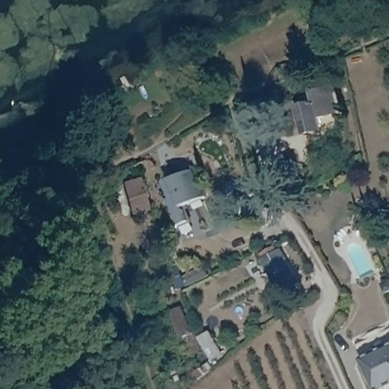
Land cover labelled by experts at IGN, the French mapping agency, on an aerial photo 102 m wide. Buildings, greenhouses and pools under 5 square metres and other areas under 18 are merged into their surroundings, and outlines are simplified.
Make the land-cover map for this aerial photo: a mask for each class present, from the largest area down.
<instances>
[{"label":"deciduous trees","instance_id":"1","mask_svg":"<svg viewBox=\"0 0 389 389\"><path fill-rule=\"evenodd\" d=\"M286 9L298 11L299 18L308 24V29L302 32L305 44L310 47L313 55H316L315 64L308 65L305 70L292 71L290 76L283 73L284 65L270 68L267 74L277 77L287 90L284 93L286 102L280 105L275 102H261L255 106L240 102L236 93L240 91L243 71L236 73L231 62L220 53L232 40L248 35L254 27L266 24L269 14L243 18L239 24L222 32L198 30L191 33H176L166 47L153 53L149 64L141 68L137 77L141 85L155 74V70L170 71L173 74L170 96H175L178 100L184 99L185 108L199 112L207 111L208 114L213 103L228 105L231 119L226 120L222 135H228L229 141L236 146V160L242 161L254 158L255 173H258L261 169L258 158L254 147L255 141H260L263 146H272L283 138V135H293L290 108L293 106V96L296 93H305L310 88H318L322 84L336 88L342 90L343 79L348 71L346 52H351L360 40L378 35L380 40L366 44V50L369 52L372 47H377L378 62L387 68L384 71V81L389 84V0H284L283 5L277 9L278 12ZM132 115L128 111L126 108L119 109L114 94L85 96L82 108L67 115L65 143H50L49 149L38 147L40 160L49 161L53 158L62 164H68L76 172L77 178L84 182V191L70 188L67 193H55L50 187L38 190V194L58 199L59 204L67 208V213L55 217L52 222H43V225L33 220L29 216V205L23 204L17 198L15 191L17 187H24L27 181L29 173L26 172L23 161L12 158L11 153H3L0 157V389H52L50 377L74 365L79 359L88 362L82 371L85 386H74L73 389H147L144 383V366L158 369L160 372L175 371L178 374L188 371L193 366L198 368L207 362L204 353L201 356L194 354L190 357L175 354L179 346L184 345L185 340L182 339V334L175 333V330L170 328V310L184 305L185 319L191 333L198 336L204 333V325L196 319L204 296L202 290L193 289L191 293H185L184 289L173 287V266L182 272L190 269L199 270L201 267L208 277L239 266L251 252L248 249H226L219 255L211 254V261H199L194 257L181 258L176 255L179 249L176 245L181 234L173 223L161 231V246H153L144 255L140 252L126 254L123 257L126 264L137 266L138 269L135 270L134 281H122L120 269H115L112 263V246L106 243L105 236L109 232H117L109 216L114 211L117 213L122 210L119 191H123V182L146 175L143 155L120 164L112 163L119 147L134 150L135 147L134 137L129 134ZM27 239L38 240V245L44 246L50 252L49 261L41 263L43 274H36L32 267L24 266L23 261L18 260L21 245ZM105 305L123 310L128 316V322H132L137 313H155L157 321H147L155 330L146 328L138 337L115 342L112 340L117 334L115 319L103 322L99 313ZM348 126V117H345L334 120V126L327 129V134L321 135L312 143H307V158L305 161H298L299 170L301 175H305L307 182H310V187L305 193L330 194V188H322V185H319V179L334 182L340 175L346 176L349 184H365L371 175L368 161H357L354 158L356 155L351 153V150H356L354 141L342 140V129ZM194 187L204 191L211 187V182L217 176L213 170L208 164L198 167L196 163H190V167ZM348 210L354 213V226L360 231L366 246L374 248L386 246L389 249V196L383 198L378 191L366 187L365 193L360 194L356 207L348 205ZM211 216L217 214V219L219 222H225L226 228L245 229L248 223L261 226L263 223L260 214L255 213V210H249V199H236L232 198L231 194L213 191L210 198L205 201V202ZM147 214L152 220L160 219V205L153 202L149 205V210L138 211L131 216L135 223L143 222ZM263 331L260 315L248 312L243 339L237 337L239 331L231 333L228 330H220L219 334L214 333L211 336L214 345H225L226 349L232 354H236L243 345L254 340ZM289 331L299 362L310 383V389H318L310 363L304 356L296 331L289 321L283 325ZM277 339L283 349L284 359L295 381L296 389H305L286 339L283 333L277 331ZM305 342L315 357L325 389H337L324 354L313 336L310 333L305 334ZM264 353L277 378L278 389H287L274 349L270 345H264ZM249 365L260 389H270L260 357L254 348H248ZM234 369L239 375L236 380H232V389H251L242 365L236 360Z\"/></svg>","mask_w":389,"mask_h":389},{"label":"herbaceous vegetation","instance_id":"2","mask_svg":"<svg viewBox=\"0 0 389 389\"><path fill-rule=\"evenodd\" d=\"M157 0H108V6L102 9L61 5L55 9L50 5V0H0V97L6 93L8 87L20 90L24 82L55 70L58 68L59 59L65 61L73 58L76 53L73 50H65V47L67 44L84 43L87 40V33L93 27H97L99 18L106 17L108 26L117 29L122 24L131 23L132 18L137 17L140 12L152 8ZM219 0H190L185 3V14L207 17L217 11ZM308 29V24L299 18L298 11L286 9L278 12L277 9L269 14L266 24L254 27L248 35L232 40L220 53L231 62L236 73L243 71L240 91L236 93L240 102L255 106L261 102H275L280 105L286 102L284 93L287 90L277 77L267 74L270 68L284 65L283 73L290 76L292 71L305 70L308 65L315 64L316 55H313L310 47L305 44L302 32ZM380 40L378 35L360 40L351 52H346L348 71L349 79L356 90L368 161L371 175L365 184H349L346 176L340 175L334 182L319 179V185H322V188H330V194L305 193L307 202L304 207L310 210L305 220L315 232L316 240L324 246L325 254L328 255L337 277L349 286L351 270L345 260L334 251L333 242L340 229L354 226V213L348 210V205L356 207L360 194L365 193L366 187L378 191L383 198L389 196V84L384 81V71L387 68L378 62L377 47H372L369 52L366 50V44ZM173 74L170 71L155 70V74L141 85L137 77L128 88L129 93L140 90L143 96L140 102L128 111L132 115L140 117L146 112L149 117H153L150 100L166 103L170 102V96ZM36 108L33 103L15 102L11 106V111L0 115V129L12 125L18 119H24L26 115L35 114ZM213 140L219 144L225 155L226 164L234 169V175L243 173L242 161L236 160V146L229 141L228 135H222L205 129H196L190 132L179 146L167 144L158 149L157 158L150 157L149 153L143 155L146 175L147 188L152 196L149 205L153 202L160 205V219L152 220L147 214L143 222L135 223L131 216H125L122 210L117 213L114 211L109 216L117 232H109L105 236L106 243L112 246V263L115 269H120L122 281H134L135 270L138 269L137 266L126 264L123 257L126 254L140 252L144 255L153 246H161V231L173 223L161 196V178L190 167V163H196L198 167L208 164L213 170L219 169L220 166L211 155L207 153L205 157H201L198 150L193 152V143ZM213 191L231 194L232 198L236 199H249L246 191L237 190L236 182L231 175L217 176L211 182V187L204 191L202 196L205 201L210 198ZM15 191L17 198L23 204L29 205V216L33 220L43 225V222H52L55 217L67 213V208L59 204L58 199L38 194V190L27 181L24 187H17ZM190 231L181 234L176 245L179 249L176 255L181 258L194 257L199 261H211V254L219 255L226 249H248L251 252L239 266L208 277L184 289L185 293H191L193 289L202 290L204 296L196 319L204 325V333L211 336L214 333L219 334L220 330H228L231 333L239 331L237 337L243 339L248 312L260 315L263 331L254 340L243 345L236 354H232L228 362L217 368L211 377L191 389H232V380H236L239 375L234 369L236 360L242 365L251 389H260L249 365L248 348H254L260 357L270 389H278L277 378L264 353V345H270L274 349L287 389H296L295 381L284 359L283 349L277 339V331L283 333L286 339L305 389H310V383L299 362L289 331L283 325L281 321L272 318V313H267L260 299L263 290L258 289L254 283L248 284V286L243 287V289L231 293V295L225 296V298H222V301H217V293L223 292V290L228 289V287L236 286V284L240 283V281H243L245 280V278L249 277L246 263L257 261V257L272 249L269 246L263 249L260 239H263V236L261 226L248 223L245 229L226 228L225 222H219L217 219V214L211 216L205 202H202V207L191 208L190 217L187 219ZM50 252L44 246L38 245V240L27 239L21 245L18 260L23 261L24 266L32 267L36 274H43L41 263L49 261ZM287 257L298 266L301 283L310 280L312 274H305L302 270L304 261L298 252L290 248L289 242H283V248ZM316 305L304 307L293 312L289 321L296 331L304 356L310 363L318 389H325L315 357L305 342V334L310 333L313 336L312 324ZM99 313L103 322L115 319L117 334L112 340L115 342L138 337L146 328L155 330L147 321H157L155 313H137L132 322H128V316L123 310L105 305ZM204 353L198 343V336L191 333L185 340L184 345L179 346L175 354L190 357L194 354L201 356ZM88 362L79 359L74 365L50 377L52 389H73L74 386H85L82 371Z\"/></svg>","mask_w":389,"mask_h":389},{"label":"water","instance_id":"3","mask_svg":"<svg viewBox=\"0 0 389 389\"><path fill-rule=\"evenodd\" d=\"M50 5L55 9L61 5L102 9L108 6V0H50ZM190 0H157L152 8L140 12L137 17L132 18L131 23L122 24L117 29L108 26L106 17L99 18L97 27H93L87 33V40L84 43L67 44L65 47V50H73L76 53L73 58L65 61L59 59L58 68L55 70L24 82L20 90L8 87L6 93L0 97V115L11 111V106L15 102L33 103L36 108L35 114L26 115L24 119H18L12 125L0 129V157L3 153H11L12 158L23 161L26 172L29 173L27 181L38 190L50 187L55 193H67L70 188L84 191V182L77 178L76 172L68 164H62L53 158L49 161L40 160L38 147L49 149L50 143H65L67 115L82 108L85 96L114 94L120 85L128 88L137 77L141 68L149 64L153 53L166 47L176 33H191L198 30L222 32L239 24L243 18L269 14L277 9L283 5L284 0H219L217 11L207 17L185 14V3Z\"/></svg>","mask_w":389,"mask_h":389},{"label":"brushwood","instance_id":"4","mask_svg":"<svg viewBox=\"0 0 389 389\"><path fill-rule=\"evenodd\" d=\"M334 93L337 96V109L345 117H348V126L342 129V140L354 141L356 150H351V153L356 155L354 158L357 161H368L356 90L349 79L348 71L343 79L342 90L336 88ZM119 109L126 108L128 111L140 102L143 96L140 90L129 93L128 88L120 85L114 94ZM153 117H149L146 112L140 117L132 115L129 134L134 137L135 147L144 149L150 146L153 135H166L167 144L179 146L190 132L196 129H205L222 135L226 120L231 119L228 105L213 103L208 114L207 111L199 112L185 108L184 99L178 100L175 96H170V102L166 103L150 100ZM339 290L336 308L325 324V334L349 389H356L339 353L342 345L336 342V336L339 334L340 327L348 319L349 307L353 304V290L349 286L337 277L328 255L325 254L324 246L316 240L315 232L305 220L299 223ZM263 249L269 246L272 249L283 248V242H289L290 248L298 252L304 261L302 270L305 274H312V260L307 257L292 231L280 232L277 236H263V239H260ZM371 257L378 258L375 266L381 270L389 269V249L386 246L374 248ZM254 278L249 277L245 278V280L243 281H240V283L236 284V286L228 287V289L223 290V292L217 293V301H222V298H225V296L231 295V293L243 289V287L248 286V284L254 283ZM232 354L226 349V353L210 366L208 374L202 375L201 378L194 377L191 374L198 368L193 366L188 371L178 374L175 371L160 372L158 369L144 366V383L147 389H191L211 377L217 368L228 362Z\"/></svg>","mask_w":389,"mask_h":389},{"label":"building","instance_id":"5","mask_svg":"<svg viewBox=\"0 0 389 389\"><path fill-rule=\"evenodd\" d=\"M336 88L322 84L318 88H310L305 93H296L293 96V106L290 108L293 135L313 131L318 126L316 119L319 115L330 114L333 109H337V96L334 93ZM161 196L173 223L181 234L190 231L187 219L190 217L191 208L202 207V202H205V201L202 196L204 191L194 187L190 167L161 178ZM152 196L147 188L146 175L123 182V191H119L122 210L125 216H131L138 211L149 210V205ZM257 261L263 264L267 281L272 286L292 292L301 283L298 266L287 257L283 248L272 249L257 257ZM173 287L184 289L208 277L201 267L199 270L190 269L182 272L173 266ZM381 289L389 290V269L381 270L380 280ZM170 328L175 330V333L182 334V339L185 340L191 333L185 319L184 305L170 310ZM198 343L204 353L207 362L198 368L191 374L194 377L201 378L202 375L208 374L210 366L226 353V349L225 345H214L211 336L204 333L198 336ZM357 363L368 389H389V342L383 343L381 348L372 349V353L369 354H360L357 351Z\"/></svg>","mask_w":389,"mask_h":389},{"label":"pervious surface","instance_id":"6","mask_svg":"<svg viewBox=\"0 0 389 389\"><path fill-rule=\"evenodd\" d=\"M167 144L166 135H153L150 146L144 149L135 147L134 150L119 147L112 163L120 164L143 155L149 153L150 157L157 158L158 149ZM292 231L307 257L312 260V274L310 280L301 283L292 292L298 296L305 295L302 299L304 307L316 305L312 324L313 336L324 354L337 389H349L325 334V324L336 308L339 290L299 223L292 213H283L277 225L263 223L261 226L263 236H277L280 232ZM353 290V304L349 307L348 319L340 327L339 334L353 337L354 334L378 330L381 322L389 324V290L381 289L380 280L375 277L363 278L360 275L359 280L349 286Z\"/></svg>","mask_w":389,"mask_h":389},{"label":"impervious surface","instance_id":"7","mask_svg":"<svg viewBox=\"0 0 389 389\"><path fill-rule=\"evenodd\" d=\"M345 117L337 109H333L330 114L319 115L316 119L318 126L313 131L293 135H283V138L272 146H263L260 141H255L254 147L258 158L277 161V170L284 175L299 170L298 161H305L307 158V143H312L321 135L327 134V129L334 126V120ZM198 150L201 157H205L207 153L211 155L220 166L219 169L213 170L217 176L231 175H234V169L226 164L225 155L219 144L213 140L193 143V152ZM334 251L345 260L351 270L349 286L359 280L360 275L363 278L375 277L380 280L381 270L375 266L378 258L371 257L374 248L366 246L360 231L354 226L340 229L333 242ZM359 249L368 263V272L360 275L351 260V249ZM249 277L254 278V283L258 289L263 290L267 281L263 264L257 261L246 263ZM336 342L342 345L339 353L356 389H368L357 363V351L360 354H369L372 353V349L381 348L383 343L389 342V324L381 322L378 330L354 334L353 337L339 334L336 336Z\"/></svg>","mask_w":389,"mask_h":389},{"label":"coniferous trees","instance_id":"8","mask_svg":"<svg viewBox=\"0 0 389 389\"><path fill-rule=\"evenodd\" d=\"M243 173L234 175H231L236 182L237 190L246 191L249 199V210H255V213L260 214L263 223L277 225L283 213H292L299 223L305 220L310 210L304 207L307 202L305 193L310 187V182H307L305 175H301L299 170L284 175L277 170V161L258 158L261 169L258 173H255L254 158L242 161ZM305 295L298 296L292 292L272 286L267 281L263 290L260 299L267 313H272V318L281 321L283 325L289 321L293 312L304 307L302 299Z\"/></svg>","mask_w":389,"mask_h":389},{"label":"swimming pool","instance_id":"9","mask_svg":"<svg viewBox=\"0 0 389 389\"><path fill-rule=\"evenodd\" d=\"M351 260L360 275L368 272V263L359 249H351Z\"/></svg>","mask_w":389,"mask_h":389}]
</instances>
